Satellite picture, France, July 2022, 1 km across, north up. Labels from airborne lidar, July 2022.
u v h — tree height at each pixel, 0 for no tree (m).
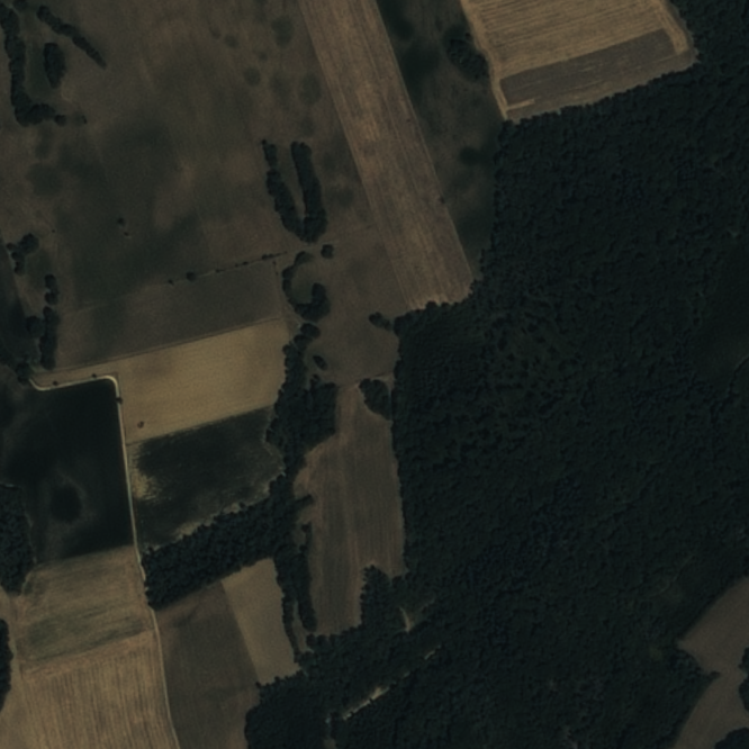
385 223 0
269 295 0
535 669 21
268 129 0
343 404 0
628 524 21
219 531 22
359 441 0
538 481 24
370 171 0
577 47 0
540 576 26
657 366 22
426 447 26
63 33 12
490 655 24
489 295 15
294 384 19
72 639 0
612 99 10
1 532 15
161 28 0
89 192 0
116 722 0
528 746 22
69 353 0
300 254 8
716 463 22
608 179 19
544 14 0
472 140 0
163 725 0
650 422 18
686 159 23
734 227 21
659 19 0
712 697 0
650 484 19
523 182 20
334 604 0
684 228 20
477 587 29
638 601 12
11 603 0
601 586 21
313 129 0
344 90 0
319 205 17
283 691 16
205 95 0
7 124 0
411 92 0
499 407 22
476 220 0
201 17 0
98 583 0
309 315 18
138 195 0
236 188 0
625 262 25
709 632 0
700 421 20
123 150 0
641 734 20
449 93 0
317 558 0
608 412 19
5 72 0
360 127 0
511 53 0
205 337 0
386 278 0
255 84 0
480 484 20
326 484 0
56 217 0
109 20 0
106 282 0
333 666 18
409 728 17
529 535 24
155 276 0
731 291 11
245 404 0
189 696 0
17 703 0
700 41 16
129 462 0
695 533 21
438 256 0
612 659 19
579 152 22
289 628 11
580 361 22
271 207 0
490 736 16
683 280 24
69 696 0
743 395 10
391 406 11
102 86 0
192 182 0
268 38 0
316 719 16
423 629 18
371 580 13
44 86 0
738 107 22
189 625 0
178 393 0
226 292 0
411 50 0
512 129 19
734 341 10
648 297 24
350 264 0
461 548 20
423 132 0
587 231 30
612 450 24
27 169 0
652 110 20
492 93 0
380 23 0
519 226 21
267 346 0
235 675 0
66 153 0
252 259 0
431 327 6
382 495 0
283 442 13
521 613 23
